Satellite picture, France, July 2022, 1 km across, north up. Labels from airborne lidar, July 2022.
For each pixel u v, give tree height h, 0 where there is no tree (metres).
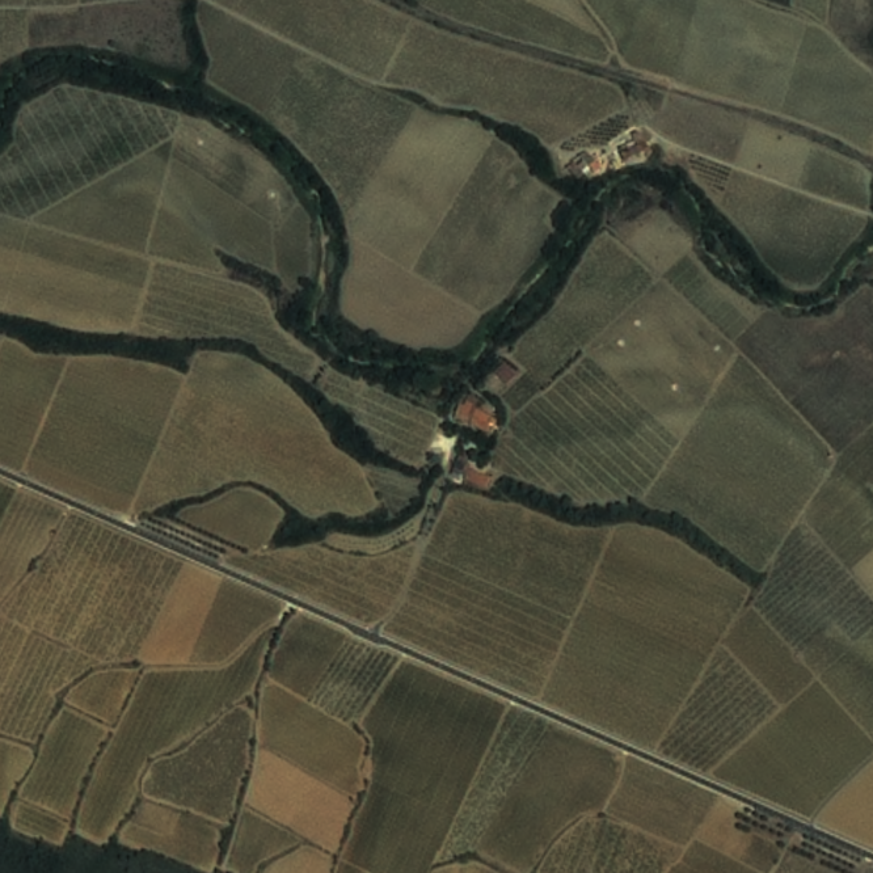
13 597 0
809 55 0
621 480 0
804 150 0
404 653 0
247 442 0
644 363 0
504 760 0
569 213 9
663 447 0
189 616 0
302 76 0
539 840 0
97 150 0
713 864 0
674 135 0
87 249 0
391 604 0
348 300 0
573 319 0
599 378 0
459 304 0
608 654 0
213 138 0
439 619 0
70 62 14
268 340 0
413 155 0
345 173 0
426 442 0
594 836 0
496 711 0
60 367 0
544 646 0
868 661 0
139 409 0
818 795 0
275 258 0
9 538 0
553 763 0
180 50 0
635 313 0
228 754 0
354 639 0
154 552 0
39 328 6
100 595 0
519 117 0
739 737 0
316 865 0
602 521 7
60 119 0
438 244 0
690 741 0
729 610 0
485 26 0
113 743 0
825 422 0
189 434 0
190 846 0
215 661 0
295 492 0
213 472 0
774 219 0
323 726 0
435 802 0
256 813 0
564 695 0
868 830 0
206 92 6
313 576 0
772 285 15
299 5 0
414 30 0
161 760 0
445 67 0
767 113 0
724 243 14
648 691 0
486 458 17
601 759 0
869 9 0
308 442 0
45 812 0
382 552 0
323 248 0
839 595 0
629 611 0
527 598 0
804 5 0
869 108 0
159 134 0
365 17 0
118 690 0
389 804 0
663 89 0
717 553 10
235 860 0
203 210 0
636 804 0
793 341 0
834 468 0
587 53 0
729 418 0
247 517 0
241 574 0
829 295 6
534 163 7
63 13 0
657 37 0
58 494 0
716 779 0
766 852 0
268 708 0
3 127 8
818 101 0
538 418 0
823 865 7
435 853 0
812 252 0
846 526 0
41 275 0
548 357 0
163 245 0
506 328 13
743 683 0
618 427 0
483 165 0
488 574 0
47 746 0
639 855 0
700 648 0
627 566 0
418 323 0
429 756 0
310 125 0
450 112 0
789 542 0
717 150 0
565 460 0
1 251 0
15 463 0
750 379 0
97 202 0
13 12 0
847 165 0
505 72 0
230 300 0
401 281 0
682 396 0
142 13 0
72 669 0
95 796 0
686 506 0
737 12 0
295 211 0
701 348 0
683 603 0
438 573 0
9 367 0
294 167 6
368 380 11
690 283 0
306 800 0
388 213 0
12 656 0
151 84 16
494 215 0
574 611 0
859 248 6
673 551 0
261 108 0
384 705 0
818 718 0
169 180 0
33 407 0
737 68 0
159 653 0
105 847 6
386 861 0
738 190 0
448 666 0
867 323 0
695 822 0
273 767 0
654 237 0
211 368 0
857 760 0
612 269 0
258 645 0
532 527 0
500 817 0
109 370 0
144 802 0
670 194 12
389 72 0
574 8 0
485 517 0
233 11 0
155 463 0
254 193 0
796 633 0
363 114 0
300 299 12
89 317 0
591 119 0
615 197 8
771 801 0
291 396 0
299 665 0
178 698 0
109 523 0
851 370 0
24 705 0
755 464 0
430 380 25
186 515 0
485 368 10
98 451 0
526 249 0
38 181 0
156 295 0
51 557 0
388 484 0
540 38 0
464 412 0
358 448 7
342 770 0
